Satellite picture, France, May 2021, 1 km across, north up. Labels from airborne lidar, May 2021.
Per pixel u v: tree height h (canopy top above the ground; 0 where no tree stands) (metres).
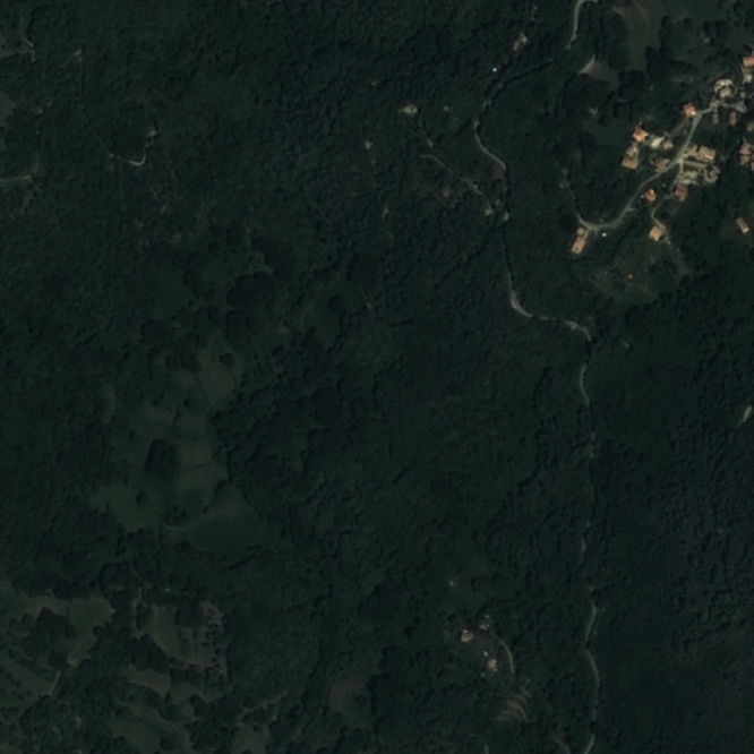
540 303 10
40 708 8
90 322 6
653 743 9
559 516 17
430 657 7
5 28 10
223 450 12
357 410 20
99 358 21
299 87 25
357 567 14
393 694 19
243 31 8
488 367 13
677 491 6
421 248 6
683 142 11
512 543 11
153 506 0
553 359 15
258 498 24
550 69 15
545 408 13
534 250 14
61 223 10
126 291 6
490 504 7
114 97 19
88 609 0
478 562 0
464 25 15
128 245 6
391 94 14
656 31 0
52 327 12
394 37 13
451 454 13
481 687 12
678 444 11
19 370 8
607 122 13
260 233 14
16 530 6
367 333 15
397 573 9
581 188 13
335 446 17
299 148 9
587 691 7
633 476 9
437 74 15
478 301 10
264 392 19
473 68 13
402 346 14
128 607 18
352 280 17
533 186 13
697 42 0
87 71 10
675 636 6
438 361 14
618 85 0
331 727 10
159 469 22
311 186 14
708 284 22
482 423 13
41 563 18
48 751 10
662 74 15
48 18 10
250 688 13
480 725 11
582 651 15
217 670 8
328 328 0
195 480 0
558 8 7
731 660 7
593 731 14
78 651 0
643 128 7
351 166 7
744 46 0
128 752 15
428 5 11
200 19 9
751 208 0
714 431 12
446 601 0
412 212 9
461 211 13
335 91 10
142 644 17
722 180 10
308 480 18
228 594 16
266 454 19
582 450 19
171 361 15
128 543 22
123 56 16
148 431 0
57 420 7
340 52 19
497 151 13
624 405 10
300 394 20
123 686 13
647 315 13
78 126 9
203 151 17
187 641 6
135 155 8
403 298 7
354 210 11
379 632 10
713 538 10
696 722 8
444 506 13
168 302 0
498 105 10
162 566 14
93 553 14
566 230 14
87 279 10
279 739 16
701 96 13
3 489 7
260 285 20
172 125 14
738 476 11
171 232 7
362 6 14
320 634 15
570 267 12
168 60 6
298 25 21
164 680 0
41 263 11
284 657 11
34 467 9
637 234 10
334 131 13
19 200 8
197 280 16
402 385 14
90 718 8
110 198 9
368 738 13
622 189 14
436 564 11
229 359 16
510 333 13
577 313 10
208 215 6
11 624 13
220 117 20
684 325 6
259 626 11
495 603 10
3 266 11
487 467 11
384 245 10
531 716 5
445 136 14
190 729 17
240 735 9
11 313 5
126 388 8
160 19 17
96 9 14
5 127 8
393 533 14
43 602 0
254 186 17
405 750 6
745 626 14
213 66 11
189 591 14
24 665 10
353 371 16
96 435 23
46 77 10
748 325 19
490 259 14
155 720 0
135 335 9
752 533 7
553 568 16
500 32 13
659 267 8
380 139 13
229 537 0
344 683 0
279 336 0
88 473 12
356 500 15
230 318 19
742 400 7
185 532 0
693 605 13
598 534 9
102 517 16
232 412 16
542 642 15
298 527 20
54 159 11
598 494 14
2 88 6
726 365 10
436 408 13
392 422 14
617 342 12
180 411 6
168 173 8
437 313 15
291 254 17
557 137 14
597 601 11
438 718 11
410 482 12
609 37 16
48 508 7
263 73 14
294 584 16
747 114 6
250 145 18
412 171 8
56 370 9
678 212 0
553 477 10
